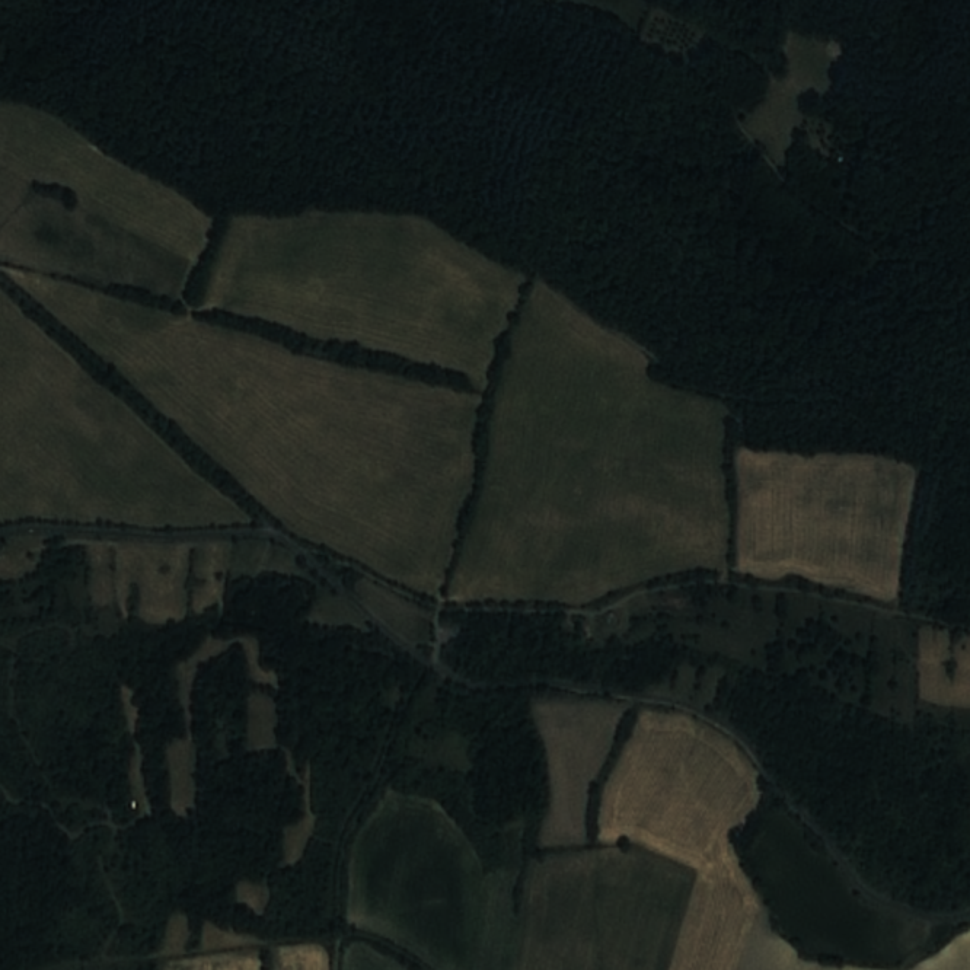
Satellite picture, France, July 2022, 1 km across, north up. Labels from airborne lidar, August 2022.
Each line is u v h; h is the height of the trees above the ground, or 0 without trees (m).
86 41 20
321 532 0
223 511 0
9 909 14
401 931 0
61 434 0
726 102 17
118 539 0
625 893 0
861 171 23
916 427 12
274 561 0
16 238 0
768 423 9
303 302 0
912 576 15
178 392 0
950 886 10
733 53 15
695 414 0
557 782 0
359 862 0
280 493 0
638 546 0
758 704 11
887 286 17
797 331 24
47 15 17
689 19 15
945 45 31
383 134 22
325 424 0
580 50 21
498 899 0
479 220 19
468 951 0
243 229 0
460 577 0
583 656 9
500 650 8
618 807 0
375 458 0
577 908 0
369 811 7
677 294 23
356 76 21
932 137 17
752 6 19
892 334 20
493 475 0
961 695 0
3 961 13
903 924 0
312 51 22
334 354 9
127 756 9
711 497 0
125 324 0
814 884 0
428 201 16
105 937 7
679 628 0
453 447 0
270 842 11
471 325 0
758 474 0
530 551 0
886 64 21
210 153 23
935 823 9
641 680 14
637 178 21
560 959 0
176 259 0
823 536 0
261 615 11
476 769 6
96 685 7
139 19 21
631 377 0
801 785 9
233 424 0
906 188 20
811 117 17
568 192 17
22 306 8
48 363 0
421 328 0
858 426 9
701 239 25
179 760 0
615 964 0
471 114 24
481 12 19
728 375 14
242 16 24
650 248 18
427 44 19
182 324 0
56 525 8
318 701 12
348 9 16
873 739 9
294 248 0
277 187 22
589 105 17
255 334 10
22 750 7
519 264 12
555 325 0
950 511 13
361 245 0
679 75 21
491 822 14
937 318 22
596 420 0
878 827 9
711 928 0
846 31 17
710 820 0
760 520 0
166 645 15
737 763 0
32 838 13
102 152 8
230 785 10
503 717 16
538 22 27
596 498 0
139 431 0
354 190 12
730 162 29
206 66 26
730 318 28
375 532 0
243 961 0
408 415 0
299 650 17
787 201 16
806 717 13
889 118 18
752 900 0
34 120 0
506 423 0
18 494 0
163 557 0
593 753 0
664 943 0
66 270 0
